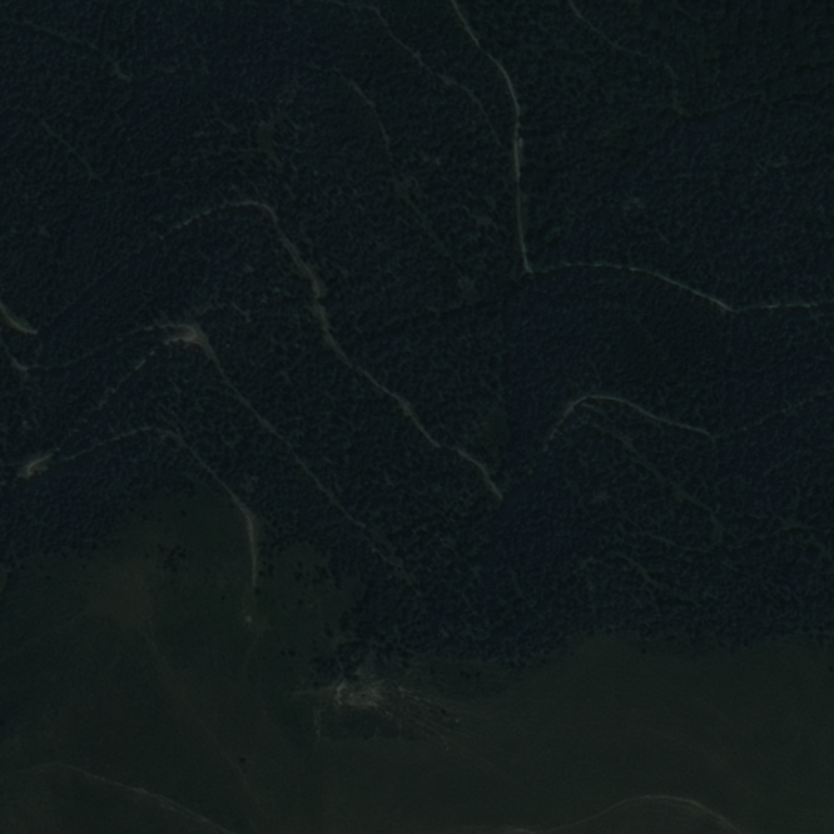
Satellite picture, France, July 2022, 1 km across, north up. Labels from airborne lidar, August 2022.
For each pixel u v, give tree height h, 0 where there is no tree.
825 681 0
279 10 21
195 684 0
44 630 0
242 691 0
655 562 20
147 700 0
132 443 9
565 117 24
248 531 0
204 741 0
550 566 14
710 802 0
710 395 14
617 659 0
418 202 24
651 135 27
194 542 0
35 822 0
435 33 12
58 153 11
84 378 15
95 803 0
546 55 20
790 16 21
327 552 7
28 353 23
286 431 28
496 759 0
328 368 20
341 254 28
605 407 10
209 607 0
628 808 0
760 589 10
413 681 0
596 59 9
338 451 14
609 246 14
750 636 11
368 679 0
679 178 23
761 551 13
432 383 20
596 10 23
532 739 0
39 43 24
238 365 11
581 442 11
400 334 24
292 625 0
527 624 23
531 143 23
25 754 0
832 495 18
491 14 11
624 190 27
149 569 0
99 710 0
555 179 20
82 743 0
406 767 0
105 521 12
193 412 10
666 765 0
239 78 9
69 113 15
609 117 14
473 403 24
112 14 23
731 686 0
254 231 23
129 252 12
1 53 14
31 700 0
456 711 0
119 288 17
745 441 19
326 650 0
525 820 0
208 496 0
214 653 0
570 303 21
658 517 20
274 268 16
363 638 11
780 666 0
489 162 23
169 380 13
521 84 17
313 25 17
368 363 19
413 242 21
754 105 25
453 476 18
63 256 23
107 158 23
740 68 34
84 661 0
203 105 12
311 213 22
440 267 13
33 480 0
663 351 16
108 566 0
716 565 7
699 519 13
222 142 18
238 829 0
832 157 16
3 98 18
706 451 18
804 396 21
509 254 13
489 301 15
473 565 25
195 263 16
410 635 14
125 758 0
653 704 0
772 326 19
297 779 0
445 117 10
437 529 26
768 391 22
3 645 0
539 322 22
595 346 19
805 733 0
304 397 26
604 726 0
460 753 0
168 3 20
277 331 12
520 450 14
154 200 18
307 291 11
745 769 0
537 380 19
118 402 16
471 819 0
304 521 12
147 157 20
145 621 0
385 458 17
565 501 20
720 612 15
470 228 24
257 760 0
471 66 22
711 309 13
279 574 0
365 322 16
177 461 11
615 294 9
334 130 12
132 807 0
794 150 16
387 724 0
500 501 6
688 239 20
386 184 23
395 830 0
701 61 22
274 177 14
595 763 0
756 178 17
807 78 21
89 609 0
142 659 0
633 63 9
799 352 15
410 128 21
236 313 10
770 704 0
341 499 15
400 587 26
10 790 0
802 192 30
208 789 0
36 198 13
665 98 20
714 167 17
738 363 18
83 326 21
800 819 0
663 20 28
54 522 29
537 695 0
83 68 16
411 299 13
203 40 25
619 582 18
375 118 15
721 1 19
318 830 0
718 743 0
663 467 14
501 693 0
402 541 9
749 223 26
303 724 0
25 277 22
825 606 16
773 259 18
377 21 11
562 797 0
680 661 0
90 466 20
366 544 20
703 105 28
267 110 13
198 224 10
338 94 17
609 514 13
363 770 0
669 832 0
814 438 13
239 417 15
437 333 26
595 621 12
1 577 0
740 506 12
